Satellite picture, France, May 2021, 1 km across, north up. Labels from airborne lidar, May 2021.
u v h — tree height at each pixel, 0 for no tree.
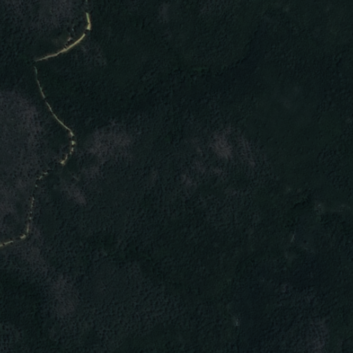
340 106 10
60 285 14
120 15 13
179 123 18
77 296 19
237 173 18
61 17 16
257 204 8
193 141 21
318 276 8
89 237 6
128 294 21
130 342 9
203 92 12
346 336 11
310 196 18
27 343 9
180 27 9
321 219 9
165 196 15
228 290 20
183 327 14
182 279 16
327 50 7
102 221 17
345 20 6
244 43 10
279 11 13
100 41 8
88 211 14
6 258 16
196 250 10
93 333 7
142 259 18
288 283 18
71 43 15
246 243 11
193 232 17
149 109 11
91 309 17
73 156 14
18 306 17
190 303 16
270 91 6
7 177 10
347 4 6
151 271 18
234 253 17
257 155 19
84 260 10
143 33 15
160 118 22
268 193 11
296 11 6
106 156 12
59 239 15
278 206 13
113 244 17
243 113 8
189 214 8
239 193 15
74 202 19
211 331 10
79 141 9
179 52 13
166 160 17
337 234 16
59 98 12
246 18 7
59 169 17
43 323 22
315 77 11
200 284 13
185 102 12
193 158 17
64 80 16
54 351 18
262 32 7
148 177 20
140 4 8
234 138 17
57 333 6
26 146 16
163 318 20
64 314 15
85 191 16
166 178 12
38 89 13
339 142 13
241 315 8
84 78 14
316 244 6
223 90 12
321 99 7
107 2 15
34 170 14
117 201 22
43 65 14
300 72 13
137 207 19
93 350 19
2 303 10
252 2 8
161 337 7
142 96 20
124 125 13
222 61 10
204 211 9
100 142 17
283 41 10
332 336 7
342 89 17
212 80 16
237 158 17
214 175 12
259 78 7
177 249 10
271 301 12
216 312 16
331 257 10
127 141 16
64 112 13
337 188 15
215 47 11
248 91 10
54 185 15
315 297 12
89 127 7
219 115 19
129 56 6
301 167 7
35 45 8
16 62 11
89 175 11
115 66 7
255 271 14
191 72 20
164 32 7
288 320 23
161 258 8
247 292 6
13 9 15
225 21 12
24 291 13
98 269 18
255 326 8
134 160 19
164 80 13
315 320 19
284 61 11
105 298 18
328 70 18
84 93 16
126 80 6
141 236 17
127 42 9
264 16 16
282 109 5
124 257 12
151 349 12
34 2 12
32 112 17
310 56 9
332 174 12
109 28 11
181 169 16
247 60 12
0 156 5
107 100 21
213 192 6
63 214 16
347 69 7
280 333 21
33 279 18
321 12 7
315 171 6
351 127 12
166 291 8
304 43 9
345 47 15
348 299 7
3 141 6
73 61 11
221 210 19
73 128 7
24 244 6
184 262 6
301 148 12
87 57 17
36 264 14
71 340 11
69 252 18
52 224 20
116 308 23
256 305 6
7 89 12
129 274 20
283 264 18
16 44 7
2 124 11
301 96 6
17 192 14
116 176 20
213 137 18
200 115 6
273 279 7
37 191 18
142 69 9
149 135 23
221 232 17
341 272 13
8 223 16
